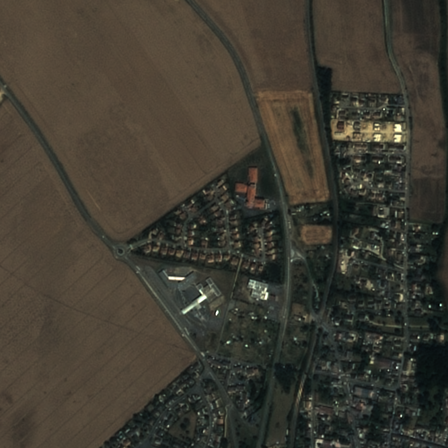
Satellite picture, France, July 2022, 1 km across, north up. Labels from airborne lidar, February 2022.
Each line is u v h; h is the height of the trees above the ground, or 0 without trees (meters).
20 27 0
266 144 0
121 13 0
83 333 0
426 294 0
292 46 0
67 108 0
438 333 11
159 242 0
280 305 0
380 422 6
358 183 0
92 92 0
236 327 0
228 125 0
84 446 0
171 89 0
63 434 0
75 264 0
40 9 0
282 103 0
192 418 0
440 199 0
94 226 0
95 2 0
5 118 0
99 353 0
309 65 0
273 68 0
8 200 0
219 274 0
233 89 0
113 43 0
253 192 0
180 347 0
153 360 0
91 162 0
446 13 0
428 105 0
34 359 0
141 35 0
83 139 0
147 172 0
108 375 0
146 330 0
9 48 0
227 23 0
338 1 0
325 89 13
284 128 0
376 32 0
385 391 8
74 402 0
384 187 0
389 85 0
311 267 7
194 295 0
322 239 0
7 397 0
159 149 0
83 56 0
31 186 0
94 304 0
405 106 0
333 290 10
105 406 0
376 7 0
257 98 0
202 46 0
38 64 0
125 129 0
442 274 0
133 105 0
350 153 0
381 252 0
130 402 0
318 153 0
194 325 0
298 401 0
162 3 0
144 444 0
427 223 0
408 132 0
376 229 6
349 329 7
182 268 0
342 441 9
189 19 0
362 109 0
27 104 0
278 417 0
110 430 0
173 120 0
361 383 0
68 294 0
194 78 0
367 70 0
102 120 0
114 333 0
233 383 0
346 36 0
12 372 0
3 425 0
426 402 7
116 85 0
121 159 0
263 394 7
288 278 0
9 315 0
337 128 0
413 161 0
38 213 0
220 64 0
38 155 0
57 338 0
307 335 0
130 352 0
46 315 0
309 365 0
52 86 0
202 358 0
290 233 0
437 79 0
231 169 0
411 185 0
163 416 0
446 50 0
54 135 0
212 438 0
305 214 0
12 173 0
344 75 0
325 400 0
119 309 0
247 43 0
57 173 0
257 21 0
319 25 0
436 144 0
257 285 0
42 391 0
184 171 0
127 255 0
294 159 0
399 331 10
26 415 0
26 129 0
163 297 0
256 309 0
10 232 0
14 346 0
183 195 0
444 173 0
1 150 0
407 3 0
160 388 0
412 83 0
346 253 0
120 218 0
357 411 0
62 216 0
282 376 23
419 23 0
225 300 0
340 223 12
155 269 0
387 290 0
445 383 8
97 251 0
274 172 0
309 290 0
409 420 12
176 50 0
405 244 0
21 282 0
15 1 0
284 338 0
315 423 6
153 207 0
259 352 0
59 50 0
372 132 0
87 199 0
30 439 0
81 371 0
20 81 0
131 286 0
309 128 0
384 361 0
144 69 0
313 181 0
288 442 7
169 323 0
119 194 0
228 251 0
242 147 0
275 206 0
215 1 0
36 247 0
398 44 0
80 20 0
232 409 0
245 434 0
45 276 0
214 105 0
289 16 0
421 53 0
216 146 0
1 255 0
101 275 0
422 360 15
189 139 0
